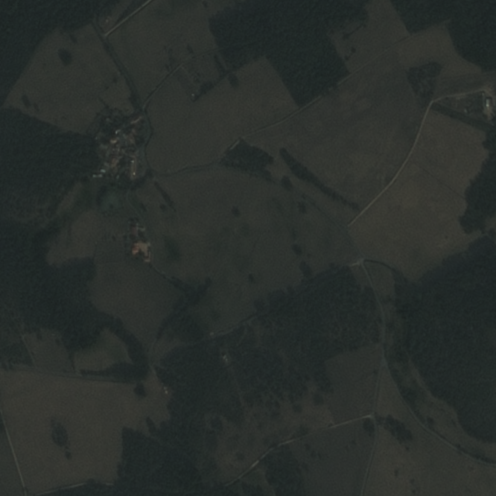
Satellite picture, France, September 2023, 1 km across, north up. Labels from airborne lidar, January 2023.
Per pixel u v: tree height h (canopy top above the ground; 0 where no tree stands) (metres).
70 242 0
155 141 0
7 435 0
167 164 0
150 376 0
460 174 0
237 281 0
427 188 0
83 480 0
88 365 0
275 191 0
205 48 0
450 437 0
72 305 14
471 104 0
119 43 0
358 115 0
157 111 0
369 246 0
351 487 0
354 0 10
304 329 7
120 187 0
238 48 16
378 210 0
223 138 0
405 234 0
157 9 0
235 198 0
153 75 0
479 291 22
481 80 0
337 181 0
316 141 0
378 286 0
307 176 9
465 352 10
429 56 0
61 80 0
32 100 0
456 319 12
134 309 0
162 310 0
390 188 0
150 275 0
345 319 12
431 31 0
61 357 0
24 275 18
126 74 0
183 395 15
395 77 0
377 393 0
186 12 0
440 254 0
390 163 0
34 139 8
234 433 0
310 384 0
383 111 0
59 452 0
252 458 0
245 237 0
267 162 6
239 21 18
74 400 0
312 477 0
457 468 0
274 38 15
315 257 0
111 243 0
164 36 0
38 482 0
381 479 0
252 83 0
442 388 6
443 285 21
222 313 0
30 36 10
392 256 0
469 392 7
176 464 21
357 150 0
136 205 0
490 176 7
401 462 0
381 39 0
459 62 0
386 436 0
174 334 10
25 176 11
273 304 15
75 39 11
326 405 0
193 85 0
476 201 16
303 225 0
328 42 11
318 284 13
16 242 27
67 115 0
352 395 0
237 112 0
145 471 10
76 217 0
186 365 16
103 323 13
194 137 0
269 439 0
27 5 24
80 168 10
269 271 0
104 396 0
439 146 0
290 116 0
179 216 0
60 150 8
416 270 0
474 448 0
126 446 13
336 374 0
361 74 0
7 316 7
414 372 0
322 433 0
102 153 13
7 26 18
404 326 0
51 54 0
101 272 0
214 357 12
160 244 0
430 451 0
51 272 21
